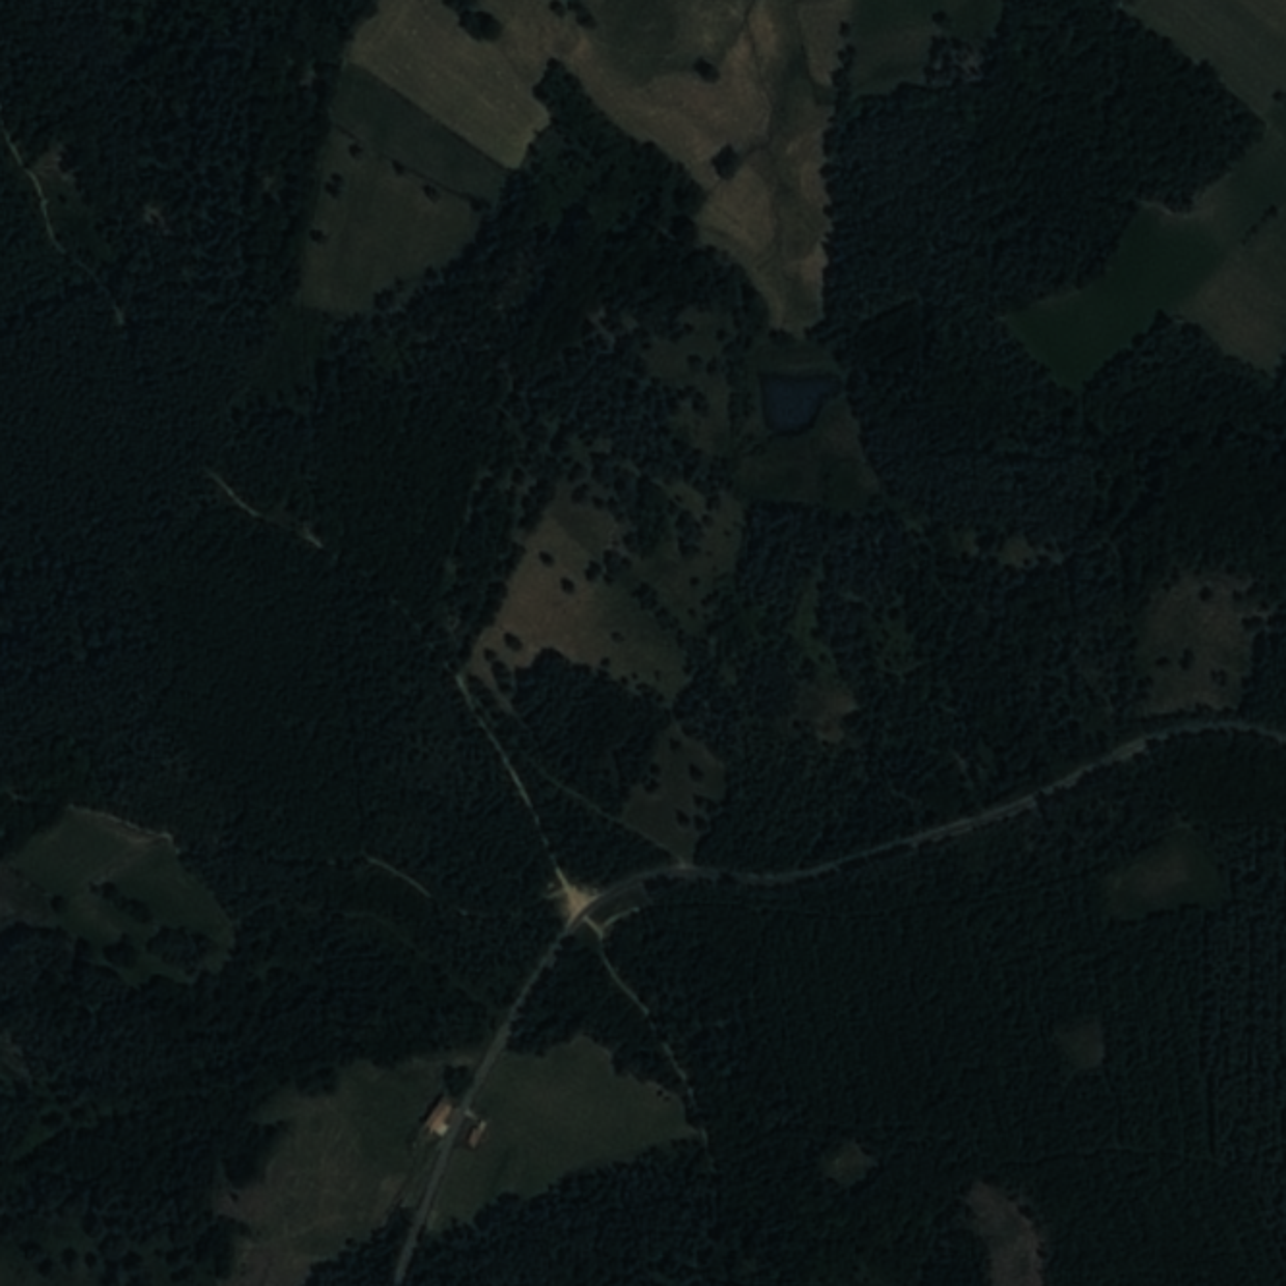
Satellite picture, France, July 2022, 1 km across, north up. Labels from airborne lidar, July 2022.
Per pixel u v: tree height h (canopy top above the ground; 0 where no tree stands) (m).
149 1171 20
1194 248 0
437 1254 13
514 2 0
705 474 8
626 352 16
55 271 14
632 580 0
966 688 12
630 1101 0
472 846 13
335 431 17
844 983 7
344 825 13
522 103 0
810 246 0
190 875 11
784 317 0
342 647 15
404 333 16
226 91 27
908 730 13
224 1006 9
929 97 16
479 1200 0
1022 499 18
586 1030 11
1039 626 13
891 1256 7
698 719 18
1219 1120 10
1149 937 11
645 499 17
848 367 11
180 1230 11
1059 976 10
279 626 10
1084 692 6
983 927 10
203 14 7
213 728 13
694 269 19
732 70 0
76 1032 24
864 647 9
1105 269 15
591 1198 13
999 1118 11
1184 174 16
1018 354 21
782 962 12
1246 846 13
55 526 25
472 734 12
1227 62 0
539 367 11
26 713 25
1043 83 8
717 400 0
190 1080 19
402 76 0
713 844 12
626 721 14
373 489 16
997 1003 11
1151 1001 8
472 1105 0
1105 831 15
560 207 0
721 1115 17
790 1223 14
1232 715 12
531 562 0
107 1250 11
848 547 16
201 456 24
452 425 12
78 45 21
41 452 23
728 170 19
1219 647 0
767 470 0
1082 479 22
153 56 27
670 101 0
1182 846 0
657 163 17
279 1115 0
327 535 16
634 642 0
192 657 13
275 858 9
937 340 21
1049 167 16
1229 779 13
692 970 16
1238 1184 11
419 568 12
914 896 8
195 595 11
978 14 0
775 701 14
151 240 25
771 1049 10
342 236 0
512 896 14
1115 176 13
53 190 0
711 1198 9
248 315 18
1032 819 7
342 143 0
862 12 0
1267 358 0
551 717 19
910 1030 11
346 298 0
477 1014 12
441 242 0
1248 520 20
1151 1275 6
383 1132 0
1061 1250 10
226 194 20
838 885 10
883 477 13
